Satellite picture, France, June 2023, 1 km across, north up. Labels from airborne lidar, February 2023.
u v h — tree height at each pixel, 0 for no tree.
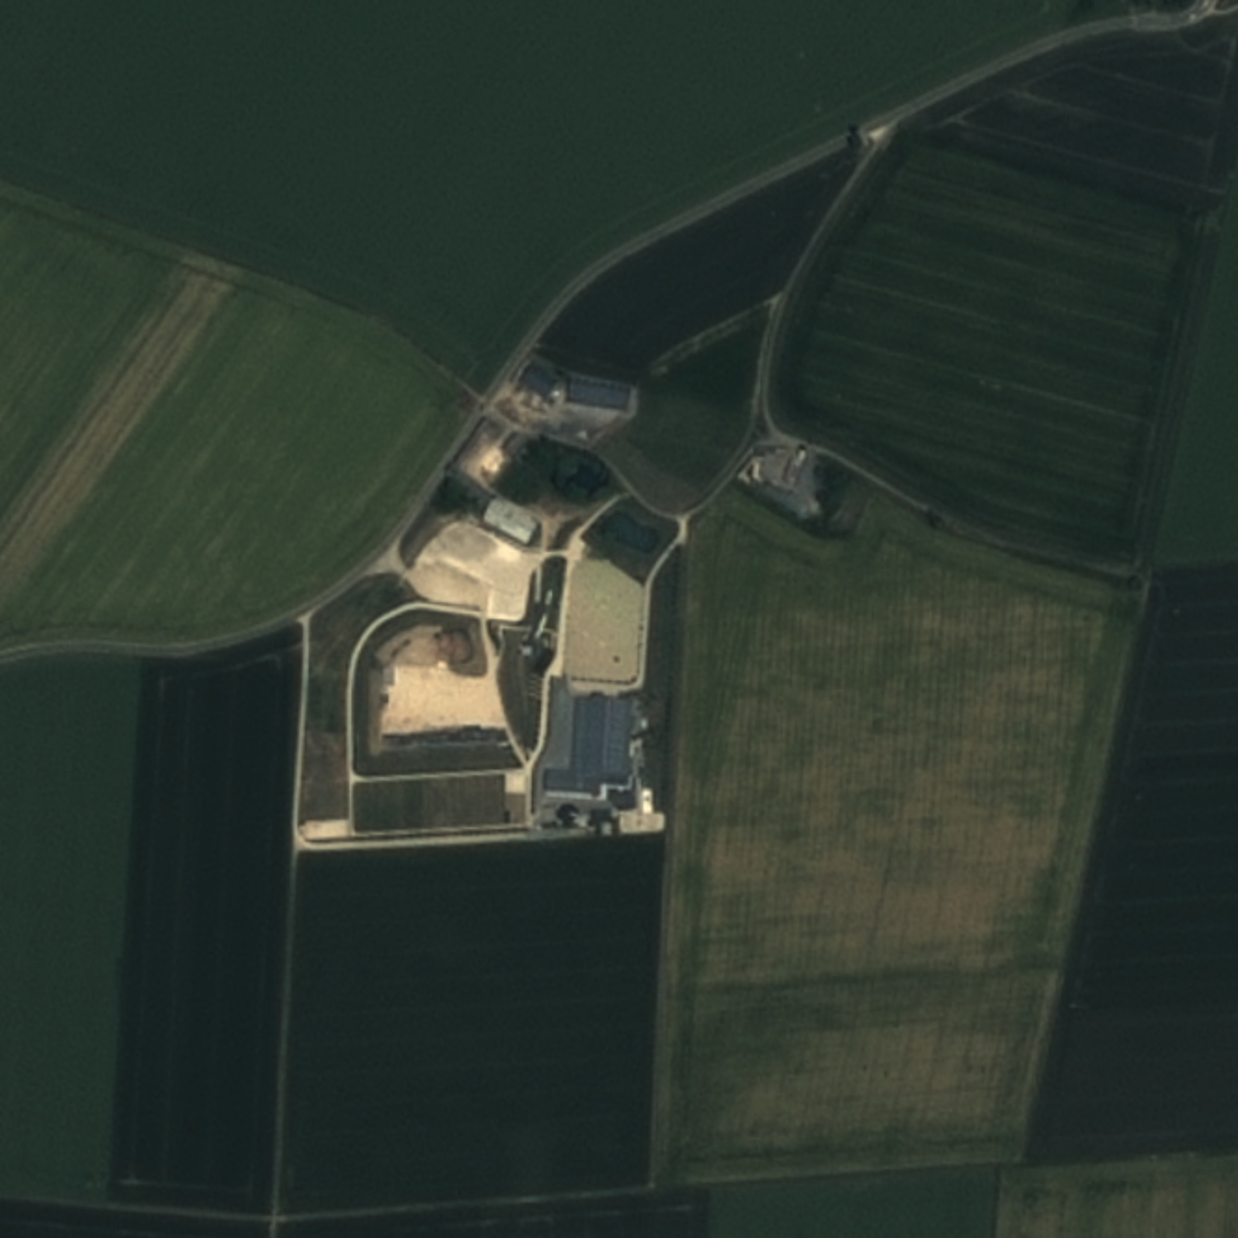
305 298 0
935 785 0
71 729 0
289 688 0
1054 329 0
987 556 0
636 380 0
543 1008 0
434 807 0
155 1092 0
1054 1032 0
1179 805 0
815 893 0
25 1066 0
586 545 0
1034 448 0
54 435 0
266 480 0
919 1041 0
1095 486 0
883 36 0
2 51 0
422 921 0
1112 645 0
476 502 7
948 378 0
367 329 0
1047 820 0
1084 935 0
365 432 0
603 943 0
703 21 0
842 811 0
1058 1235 0
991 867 0
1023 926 0
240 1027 0
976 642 0
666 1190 0
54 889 0
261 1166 0
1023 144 0
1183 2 14
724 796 0
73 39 0
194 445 0
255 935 0
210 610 0
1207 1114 0
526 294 0
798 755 0
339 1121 0
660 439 0
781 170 0
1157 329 0
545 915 0
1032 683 0
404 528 0
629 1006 0
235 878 0
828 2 0
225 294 0
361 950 0
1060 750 0
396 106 0
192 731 0
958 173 0
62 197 0
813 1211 0
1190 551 0
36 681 0
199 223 0
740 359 0
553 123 0
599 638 0
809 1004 0
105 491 0
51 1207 0
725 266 0
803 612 0
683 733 0
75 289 0
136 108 0
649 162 0
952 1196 0
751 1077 0
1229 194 0
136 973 0
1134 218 0
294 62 0
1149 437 0
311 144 0
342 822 0
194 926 0
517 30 0
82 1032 0
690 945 0
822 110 0
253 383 0
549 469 0
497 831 0
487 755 0
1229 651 0
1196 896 0
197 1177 0
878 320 0
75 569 0
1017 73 0
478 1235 0
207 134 0
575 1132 0
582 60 0
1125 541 0
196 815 0
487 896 0
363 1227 0
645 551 0
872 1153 0
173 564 0
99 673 0
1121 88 0
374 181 0
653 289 0
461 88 0
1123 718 0
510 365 0
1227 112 0
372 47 0
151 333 0
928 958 0
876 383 0
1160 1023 0
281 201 0
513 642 0
